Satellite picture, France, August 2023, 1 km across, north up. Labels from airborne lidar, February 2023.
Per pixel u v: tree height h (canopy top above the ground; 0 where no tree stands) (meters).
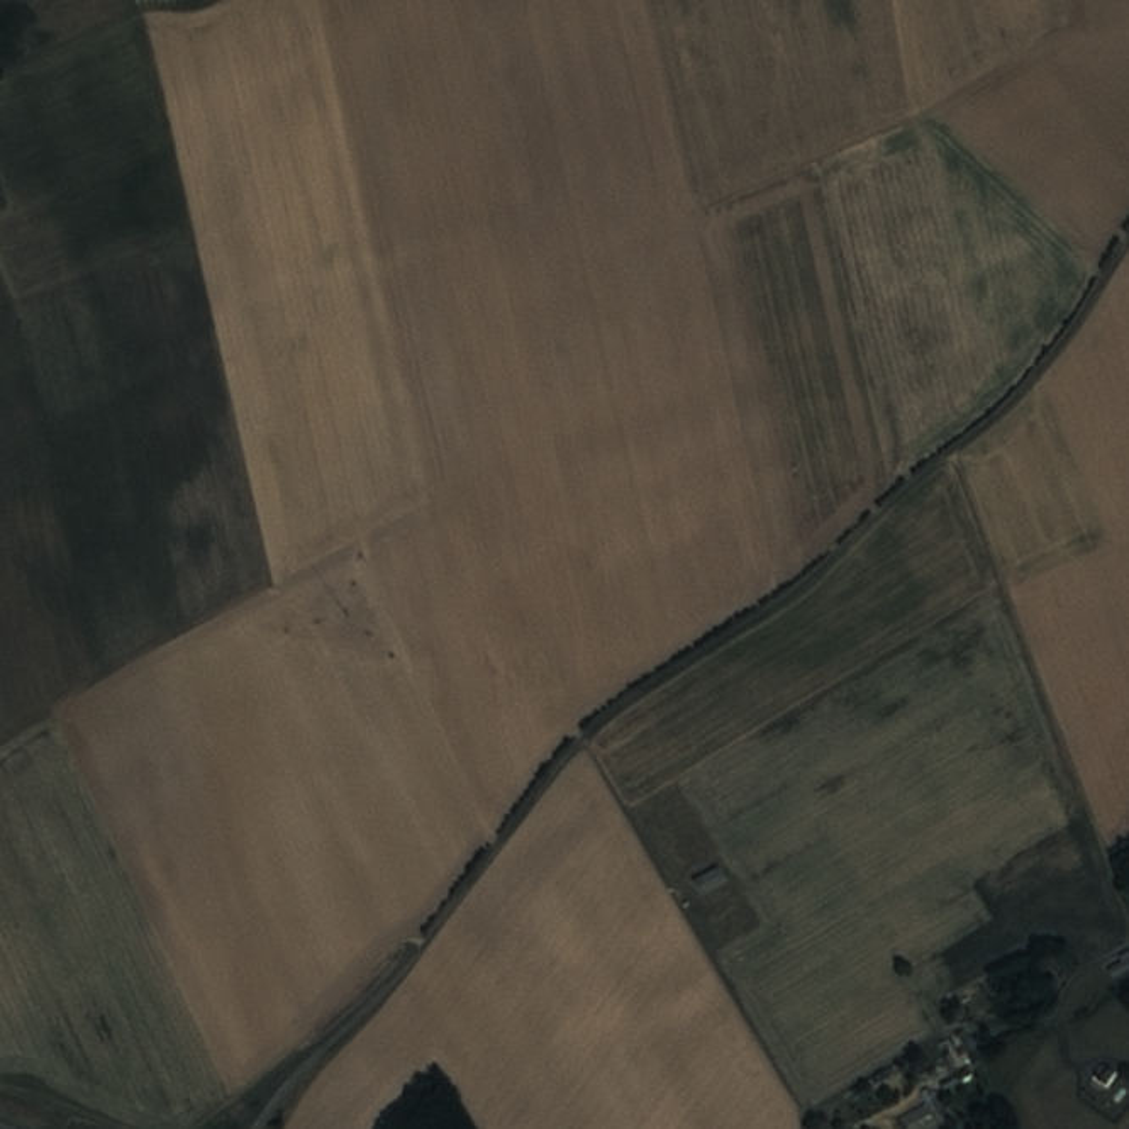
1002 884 0
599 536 0
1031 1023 10
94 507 0
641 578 0
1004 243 0
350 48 0
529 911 0
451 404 0
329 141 0
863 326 0
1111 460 0
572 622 0
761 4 0
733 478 0
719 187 0
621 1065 0
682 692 0
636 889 0
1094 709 0
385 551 0
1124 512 0
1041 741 0
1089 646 0
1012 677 0
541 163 0
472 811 0
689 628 0
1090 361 0
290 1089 0
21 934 0
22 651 0
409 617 0
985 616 0
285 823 0
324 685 0
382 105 0
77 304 0
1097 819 0
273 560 0
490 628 0
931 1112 0
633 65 0
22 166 0
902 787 0
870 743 0
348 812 0
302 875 0
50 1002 0
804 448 0
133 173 0
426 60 0
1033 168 0
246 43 0
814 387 0
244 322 0
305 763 0
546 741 0
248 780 0
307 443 0
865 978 0
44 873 0
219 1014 0
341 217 0
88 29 0
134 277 0
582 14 0
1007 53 0
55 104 0
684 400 0
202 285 0
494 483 0
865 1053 0
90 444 0
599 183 0
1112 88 0
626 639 0
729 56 0
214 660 0
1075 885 0
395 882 0
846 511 0
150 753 0
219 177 0
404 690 0
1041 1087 0
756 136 0
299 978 0
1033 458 0
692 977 0
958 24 0
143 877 0
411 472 0
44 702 0
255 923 0
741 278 0
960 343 0
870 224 0
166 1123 0
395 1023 0
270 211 0
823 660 0
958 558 0
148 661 0
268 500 0
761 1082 0
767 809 0
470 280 0
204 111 0
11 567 0
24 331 0
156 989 0
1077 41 0
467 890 0
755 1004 0
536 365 0
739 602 0
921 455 0
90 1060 0
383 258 0
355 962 0
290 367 0
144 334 0
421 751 0
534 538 0
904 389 0
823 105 0
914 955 0
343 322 0
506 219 0
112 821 0
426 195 0
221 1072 0
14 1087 0
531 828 0
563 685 0
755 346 0
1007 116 0
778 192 0
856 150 0
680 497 0
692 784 0
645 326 0
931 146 0
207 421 0
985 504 0
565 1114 0
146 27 0
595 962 0
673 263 0
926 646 0
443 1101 13
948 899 0
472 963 0
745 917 0
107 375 0
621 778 0
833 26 0
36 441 0
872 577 0
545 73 0
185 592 0
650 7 0
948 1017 6
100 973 0
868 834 0
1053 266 0
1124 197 0
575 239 0
